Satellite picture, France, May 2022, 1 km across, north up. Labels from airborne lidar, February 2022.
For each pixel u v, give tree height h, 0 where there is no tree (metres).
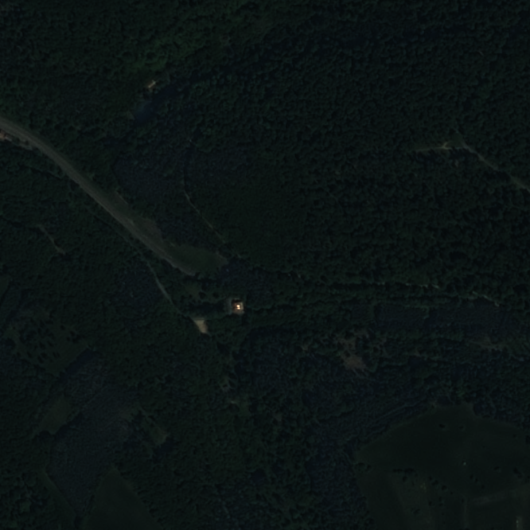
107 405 29
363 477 0
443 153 0
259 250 19
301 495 27
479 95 27
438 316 26
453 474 0
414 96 32
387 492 0
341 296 24
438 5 32
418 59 33
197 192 21
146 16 28
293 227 20
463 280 7
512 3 27
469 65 33
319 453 33
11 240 29
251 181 20
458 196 34
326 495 34
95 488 15
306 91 34
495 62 30
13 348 22
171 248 0
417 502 0
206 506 28
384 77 34
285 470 13
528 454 0
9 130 0
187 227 29
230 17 34
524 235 27
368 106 32
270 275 28
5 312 7
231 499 28
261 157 25
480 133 29
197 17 38
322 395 26
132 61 33
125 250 21
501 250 34
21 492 34
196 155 25
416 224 34
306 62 29
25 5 26
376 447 0
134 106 14
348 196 34
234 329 7
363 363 0
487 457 0
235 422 18
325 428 20
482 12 31
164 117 30
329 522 8
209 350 21
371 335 0
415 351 12
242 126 34
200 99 30
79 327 29
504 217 21
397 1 21
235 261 26
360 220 31
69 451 26
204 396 28
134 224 0
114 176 26
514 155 34
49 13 28
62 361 0
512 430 0
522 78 28
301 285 34
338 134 30
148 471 22
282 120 33
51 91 13
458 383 28
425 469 0
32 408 27
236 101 34
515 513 0
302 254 31
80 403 28
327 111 31
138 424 20
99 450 28
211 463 27
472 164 33
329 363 20
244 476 28
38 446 26
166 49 36
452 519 0
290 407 34
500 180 33
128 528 0
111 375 28
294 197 24
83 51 30
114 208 0
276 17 17
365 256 8
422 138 25
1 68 10
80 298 32
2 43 10
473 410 0
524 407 24
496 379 19
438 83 31
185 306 17
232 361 0
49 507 20
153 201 24
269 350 24
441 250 35
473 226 30
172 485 25
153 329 29
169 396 27
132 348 30
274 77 30
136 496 0
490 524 0
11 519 30
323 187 30
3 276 19
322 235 26
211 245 30
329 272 33
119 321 25
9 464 30
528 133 28
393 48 35
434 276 37
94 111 8
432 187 30
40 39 25
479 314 27
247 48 13
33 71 13
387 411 25
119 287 27
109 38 28
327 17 32
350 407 23
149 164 26
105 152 27
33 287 29
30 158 21
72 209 20
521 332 34
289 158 27
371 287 19
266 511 26
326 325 18
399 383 18
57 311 29
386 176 31
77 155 19
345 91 29
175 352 25
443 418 0
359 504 33
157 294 27
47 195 24
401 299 24
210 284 21
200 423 26
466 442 0
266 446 9
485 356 9
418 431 0
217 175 26
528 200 35
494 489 0
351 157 29
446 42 31
